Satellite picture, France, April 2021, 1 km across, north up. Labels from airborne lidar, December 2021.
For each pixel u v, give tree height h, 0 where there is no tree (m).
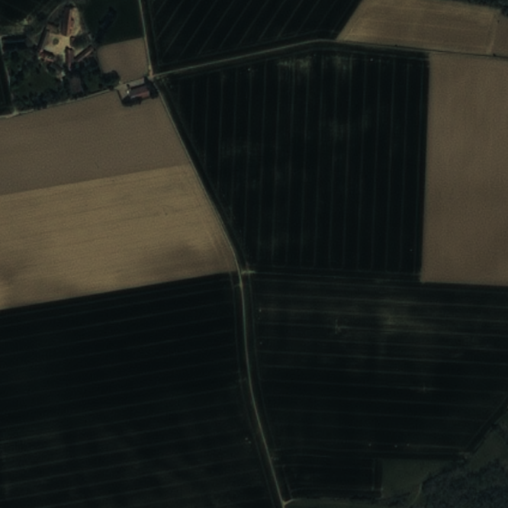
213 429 0
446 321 0
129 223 0
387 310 0
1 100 0
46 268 0
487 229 0
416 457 0
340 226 0
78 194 0
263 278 0
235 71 0
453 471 18
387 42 0
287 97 0
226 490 0
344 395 0
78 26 0
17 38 10
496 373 0
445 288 0
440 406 0
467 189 0
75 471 0
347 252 0
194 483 0
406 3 0
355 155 0
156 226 0
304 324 0
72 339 0
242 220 0
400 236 0
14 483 0
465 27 0
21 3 0
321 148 0
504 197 0
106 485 0
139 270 0
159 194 0
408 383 0
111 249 0
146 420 0
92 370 0
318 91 0
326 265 0
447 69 0
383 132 0
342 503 0
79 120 0
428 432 0
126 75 0
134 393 0
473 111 0
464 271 0
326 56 0
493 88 0
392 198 0
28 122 0
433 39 0
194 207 0
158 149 0
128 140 0
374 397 0
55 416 0
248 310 0
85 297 0
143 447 0
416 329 0
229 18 0
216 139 0
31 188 0
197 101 0
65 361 0
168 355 0
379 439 0
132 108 0
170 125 0
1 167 0
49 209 0
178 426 0
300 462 0
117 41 0
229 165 0
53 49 0
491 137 0
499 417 0
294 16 0
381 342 0
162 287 0
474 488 23
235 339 0
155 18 0
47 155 0
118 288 0
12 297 0
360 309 0
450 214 0
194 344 0
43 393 0
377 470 0
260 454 0
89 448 0
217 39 0
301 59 0
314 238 0
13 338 0
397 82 0
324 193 0
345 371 0
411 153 0
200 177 0
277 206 0
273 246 0
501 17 0
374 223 0
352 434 0
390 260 0
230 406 0
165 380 0
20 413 0
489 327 0
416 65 0
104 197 0
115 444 0
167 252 0
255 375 0
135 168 0
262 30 0
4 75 0
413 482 0
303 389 0
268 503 0
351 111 0
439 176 0
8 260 0
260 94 0
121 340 0
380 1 0
